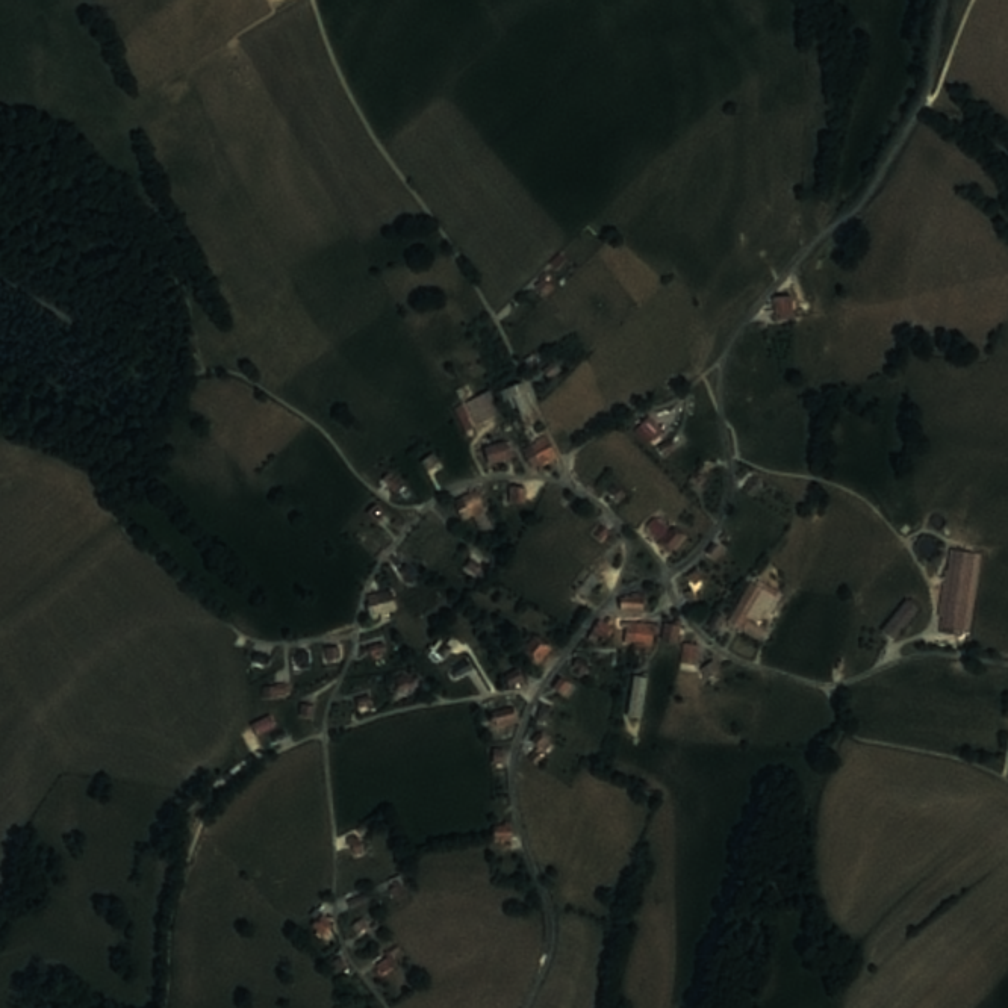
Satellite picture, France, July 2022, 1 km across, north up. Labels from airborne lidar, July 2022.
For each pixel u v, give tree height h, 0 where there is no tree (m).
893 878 0
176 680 0
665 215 0
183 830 19
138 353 24
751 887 28
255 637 0
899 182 0
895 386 0
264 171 0
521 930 0
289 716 0
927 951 0
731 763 0
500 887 7
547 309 0
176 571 17
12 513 0
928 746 0
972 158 10
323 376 0
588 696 0
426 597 0
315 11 0
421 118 0
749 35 0
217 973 0
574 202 0
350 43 0
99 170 27
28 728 0
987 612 0
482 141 0
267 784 0
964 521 0
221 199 0
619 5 0
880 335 0
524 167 0
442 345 0
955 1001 0
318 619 0
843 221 0
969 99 11
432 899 0
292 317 0
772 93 0
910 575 0
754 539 0
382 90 0
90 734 0
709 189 0
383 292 0
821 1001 0
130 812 0
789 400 0
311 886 0
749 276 0
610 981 19
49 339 27
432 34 0
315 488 0
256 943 0
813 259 0
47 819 0
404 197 0
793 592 0
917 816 0
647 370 0
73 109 0
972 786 0
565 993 0
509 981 0
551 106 0
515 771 0
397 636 15
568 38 0
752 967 19
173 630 0
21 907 22
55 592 0
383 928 9
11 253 26
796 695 0
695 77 0
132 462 32
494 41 0
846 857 0
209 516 0
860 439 0
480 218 0
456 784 0
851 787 0
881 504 0
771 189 0
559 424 0
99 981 0
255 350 0
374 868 0
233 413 0
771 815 29
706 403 0
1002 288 0
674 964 0
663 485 0
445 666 0
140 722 0
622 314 0
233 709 0
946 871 0
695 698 0
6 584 0
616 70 0
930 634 0
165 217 18
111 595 0
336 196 0
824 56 16
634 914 14
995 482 0
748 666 0
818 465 18
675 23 0
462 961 0
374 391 0
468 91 0
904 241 0
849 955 18
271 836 0
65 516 0
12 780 0
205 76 0
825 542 0
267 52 0
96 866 0
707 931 0
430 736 0
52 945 0
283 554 0
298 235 0
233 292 0
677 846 0
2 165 20
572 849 0
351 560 0
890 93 0
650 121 0
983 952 0
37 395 35
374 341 0
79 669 0
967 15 0
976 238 0
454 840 15
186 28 0
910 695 0
